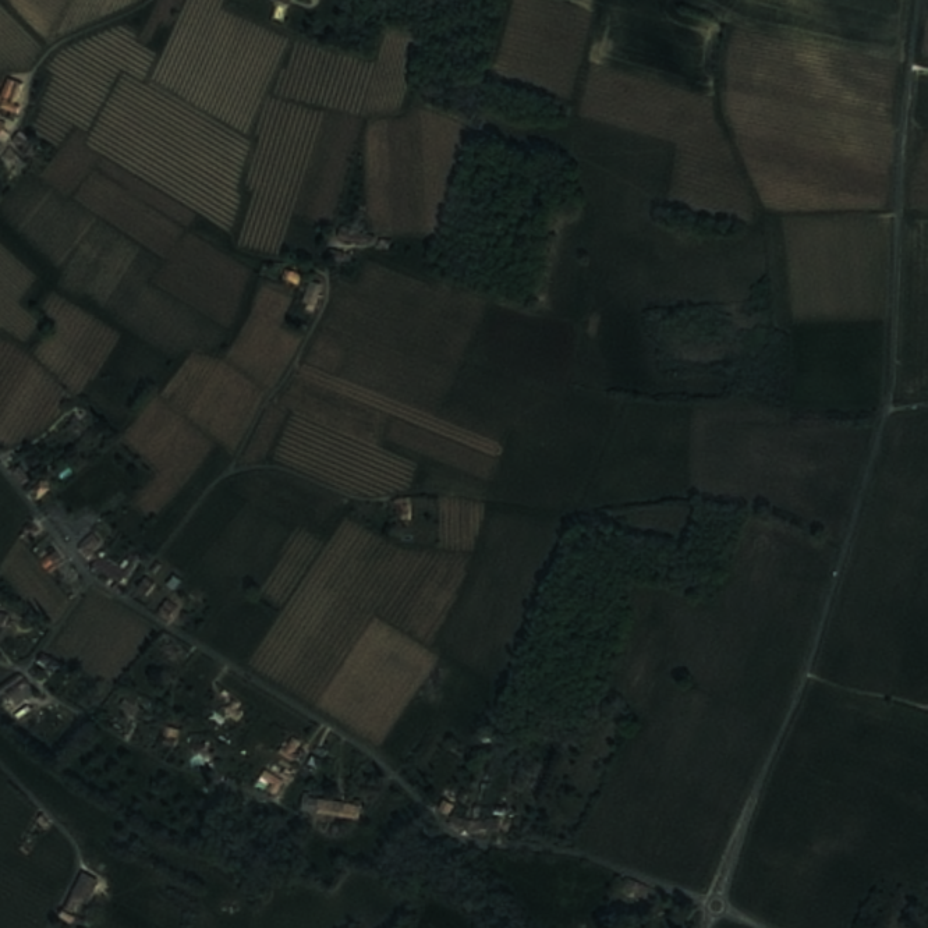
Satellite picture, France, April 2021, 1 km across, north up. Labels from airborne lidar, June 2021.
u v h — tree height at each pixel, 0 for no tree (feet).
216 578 0
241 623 0
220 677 0
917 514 0
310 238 0
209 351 0
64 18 0
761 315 23
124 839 38
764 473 0
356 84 0
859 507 0
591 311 0
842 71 0
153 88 0
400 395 0
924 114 0
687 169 0
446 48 86
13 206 0
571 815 0
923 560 0
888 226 0
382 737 0
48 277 0
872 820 0
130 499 0
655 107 0
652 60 0
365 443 0
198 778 0
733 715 0
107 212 0
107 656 0
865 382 0
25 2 0
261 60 0
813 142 0
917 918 54
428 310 0
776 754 0
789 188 0
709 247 0
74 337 0
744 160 0
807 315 0
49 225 0
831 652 0
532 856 38
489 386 0
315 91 0
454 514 0
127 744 0
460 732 0
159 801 27
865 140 0
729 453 0
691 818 0
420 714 0
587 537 35
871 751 0
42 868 0
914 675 0
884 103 0
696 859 0
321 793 36
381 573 0
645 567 56
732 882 0
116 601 0
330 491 0
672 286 0
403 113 0
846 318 0
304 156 0
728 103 0
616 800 0
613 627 60
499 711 41
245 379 0
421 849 87
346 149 0
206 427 0
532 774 47
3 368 0
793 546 0
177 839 48
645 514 0
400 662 0
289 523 0
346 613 0
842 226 0
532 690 61
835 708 0
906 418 0
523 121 65
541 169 85
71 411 23
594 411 0
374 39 58
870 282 0
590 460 0
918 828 0
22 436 0
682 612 0
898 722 0
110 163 0
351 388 0
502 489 0
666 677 0
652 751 0
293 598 0
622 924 74
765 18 0
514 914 79
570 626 71
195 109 0
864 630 0
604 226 0
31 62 0
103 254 0
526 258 49
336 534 0
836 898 0
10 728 74
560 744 43
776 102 0
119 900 0
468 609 0
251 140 0
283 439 0
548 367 0
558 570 54
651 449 0
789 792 0
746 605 0
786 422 0
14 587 0
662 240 0
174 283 0
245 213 0
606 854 0
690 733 0
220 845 94
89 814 0
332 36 39
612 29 0
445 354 0
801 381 0
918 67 0
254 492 0
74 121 0
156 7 0
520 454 0
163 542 0
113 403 0
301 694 0
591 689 70
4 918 0
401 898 62
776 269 0
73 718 0
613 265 0
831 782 0
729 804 0
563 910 0
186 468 0
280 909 0
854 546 0
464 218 55
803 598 0
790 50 0
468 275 46
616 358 0
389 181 0
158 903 0
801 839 0
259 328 0
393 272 0
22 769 0
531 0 0
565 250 0
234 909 0
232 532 0
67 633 0
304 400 0
